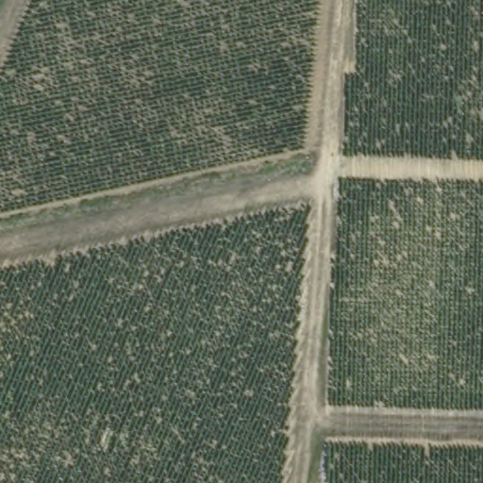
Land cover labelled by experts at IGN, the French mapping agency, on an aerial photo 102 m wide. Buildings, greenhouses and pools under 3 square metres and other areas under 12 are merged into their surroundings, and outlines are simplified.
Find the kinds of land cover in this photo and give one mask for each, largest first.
<instances>
[{"label":"vineyard","instance_id":"1","mask_svg":"<svg viewBox=\"0 0 483 483\"><path fill-rule=\"evenodd\" d=\"M321 0H30L25 17L15 34V40L11 43L8 60L0 68V211L38 206L53 200L74 198L79 194L117 189L160 177L194 172L200 168L277 155L285 149H302L311 94L315 25L319 19ZM357 62L355 72L345 75L343 79V134L347 140L341 143V155L451 158L455 153L462 160H483V0H358L355 40ZM340 194L336 202V213L332 215V251L336 255L332 258L330 275L334 287L328 291L317 372L319 406H374L375 402H381L387 408L483 409V179H338ZM311 206H302L294 211L281 209L266 211L262 215L241 217L226 228L211 225L206 228L200 226L174 230L160 238L134 240L128 241L126 245L91 249L85 257L77 253L72 257H58L55 266H47L45 262H30L0 270V483H285L281 472L289 441L285 434L291 411L289 398L294 379L296 330L300 325L298 294L302 285ZM321 483H483V447L332 443L330 453H321L319 458Z\"/></svg>","mask_w":483,"mask_h":483},{"label":"herbaceous vegetation","instance_id":"2","mask_svg":"<svg viewBox=\"0 0 483 483\"><path fill-rule=\"evenodd\" d=\"M30 0H0V68L8 60L11 43L15 40V34L25 17ZM358 0H321L319 19L315 25L311 94L302 149H285L277 155L200 168L194 172L160 177L117 189L79 194L74 198L53 200L38 206L0 211V270L30 262H45L47 266H55L58 257H72L77 253L85 257L91 249L126 245L128 241L134 240L160 238L174 230L200 226L206 228L211 225L226 228L241 217L262 215L266 211L281 209L294 211L302 206H311L302 285L298 294L300 325L296 330L294 379L289 398L291 411L285 434L289 441L281 472L285 483H321L319 458L321 453H330L332 443L483 447V409L387 408L381 402H375L374 406H319L317 372L328 291L334 287L330 275L332 258L336 255L332 251V215L336 213V202L340 194L338 179H483V160H462L455 153L451 158L341 155V143L347 140L343 134V79L345 75L355 72L357 62L355 40Z\"/></svg>","mask_w":483,"mask_h":483}]
</instances>
